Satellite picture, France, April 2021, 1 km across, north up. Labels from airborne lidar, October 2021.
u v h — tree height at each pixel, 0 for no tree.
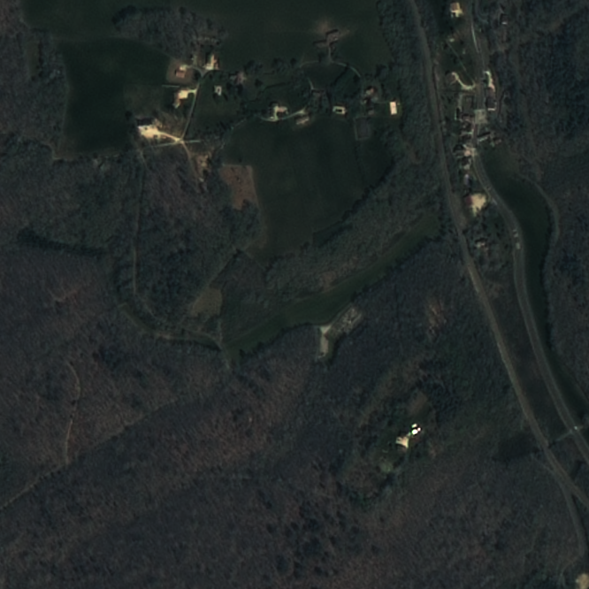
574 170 9
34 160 19
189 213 18
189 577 11
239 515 12
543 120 14
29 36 14
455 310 12
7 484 15
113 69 0
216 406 15
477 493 23
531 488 13
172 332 11
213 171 21
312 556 22
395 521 16
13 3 20
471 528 18
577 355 14
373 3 0
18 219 18
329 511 13
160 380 20
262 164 0
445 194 13
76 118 0
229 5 0
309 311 0
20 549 12
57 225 14
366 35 0
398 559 12
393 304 16
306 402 23
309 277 18
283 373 14
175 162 17
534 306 0
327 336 0
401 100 8
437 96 0
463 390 23
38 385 13
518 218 0
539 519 12
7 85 13
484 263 17
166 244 21
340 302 0
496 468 17
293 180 0
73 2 0
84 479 11
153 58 0
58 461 21
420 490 0
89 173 18
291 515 6
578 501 15
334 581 9
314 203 0
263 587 16
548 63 16
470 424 22
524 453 8
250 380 19
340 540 11
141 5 0
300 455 16
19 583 14
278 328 0
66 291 15
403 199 27
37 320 14
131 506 18
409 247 0
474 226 10
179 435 16
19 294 15
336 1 0
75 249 10
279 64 13
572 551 16
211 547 17
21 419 14
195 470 13
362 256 13
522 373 8
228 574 10
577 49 21
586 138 24
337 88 10
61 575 9
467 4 0
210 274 22
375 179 0
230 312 11
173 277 22
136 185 15
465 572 9
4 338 20
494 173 0
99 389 10
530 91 11
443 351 25
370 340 15
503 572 14
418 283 21
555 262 8
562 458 21
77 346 10
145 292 19
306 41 0
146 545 15
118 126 0
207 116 0
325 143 0
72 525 15
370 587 11
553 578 17
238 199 0
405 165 28
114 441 18
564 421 0
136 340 23
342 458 13
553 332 22
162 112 0
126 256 20
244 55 0
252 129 0
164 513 9
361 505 21
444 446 22
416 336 20
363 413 21
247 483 12
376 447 11
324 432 17
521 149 13
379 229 24
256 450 12
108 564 10
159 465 14
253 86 0
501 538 17
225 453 13
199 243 21
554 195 13
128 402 19
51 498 13
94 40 0
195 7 0
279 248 0
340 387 17
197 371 18
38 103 26
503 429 15
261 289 13
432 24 26
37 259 16
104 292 17
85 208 22
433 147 12
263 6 0
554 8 19
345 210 0
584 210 8
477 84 0
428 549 25
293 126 0
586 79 19
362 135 0
